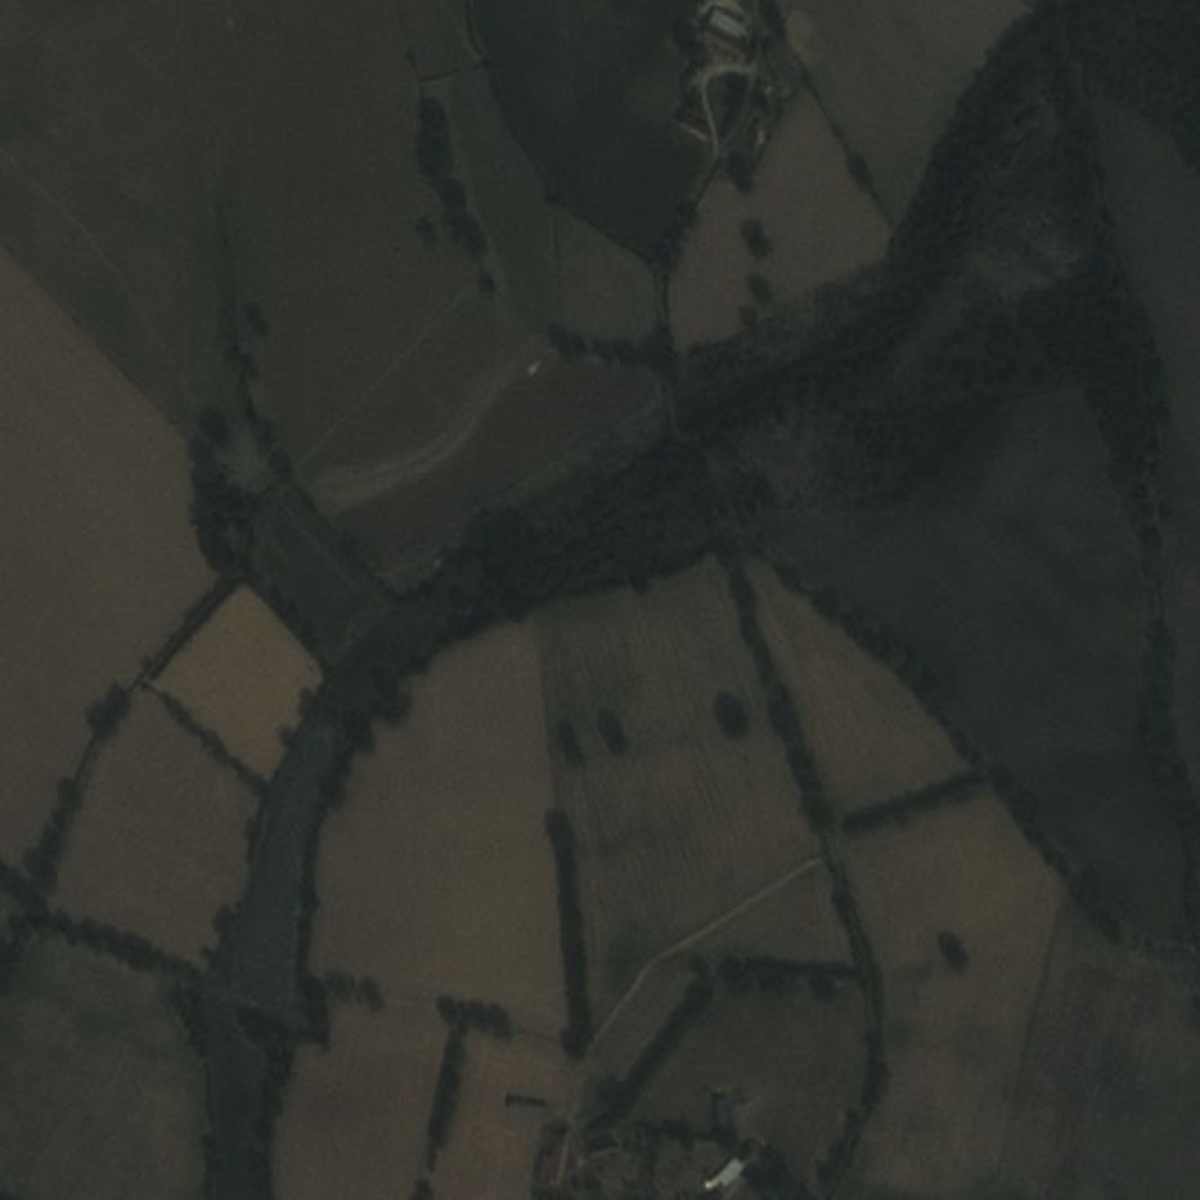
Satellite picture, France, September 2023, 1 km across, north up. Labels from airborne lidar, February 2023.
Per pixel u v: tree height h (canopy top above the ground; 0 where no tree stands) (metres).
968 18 0
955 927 0
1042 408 0
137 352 0
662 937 0
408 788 0
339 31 0
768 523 0
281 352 0
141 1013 0
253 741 0
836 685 0
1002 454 0
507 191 0
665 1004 0
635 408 0
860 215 0
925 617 0
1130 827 0
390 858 0
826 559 0
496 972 0
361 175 0
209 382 0
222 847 0
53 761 0
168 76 0
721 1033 0
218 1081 0
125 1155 0
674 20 0
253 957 0
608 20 0
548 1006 0
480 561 7
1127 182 0
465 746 0
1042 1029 0
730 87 11
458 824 0
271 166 0
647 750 0
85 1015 0
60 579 0
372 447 0
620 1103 18
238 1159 0
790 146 0
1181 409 0
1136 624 0
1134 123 0
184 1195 0
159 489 0
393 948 0
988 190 0
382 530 0
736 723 19
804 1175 0
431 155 22
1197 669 0
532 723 0
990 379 15
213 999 0
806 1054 0
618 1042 0
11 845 0
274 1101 16
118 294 0
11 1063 0
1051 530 0
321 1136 0
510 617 11
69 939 11
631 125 0
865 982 11
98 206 0
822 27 0
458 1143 0
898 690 0
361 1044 0
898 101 0
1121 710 0
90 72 0
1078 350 16
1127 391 13
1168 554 0
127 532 0
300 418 0
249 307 0
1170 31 15
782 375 17
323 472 0
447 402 0
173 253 0
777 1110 0
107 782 0
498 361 0
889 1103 0
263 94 0
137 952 17
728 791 0
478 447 0
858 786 0
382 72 0
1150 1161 0
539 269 0
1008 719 0
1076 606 0
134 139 0
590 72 0
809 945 0
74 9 0
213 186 0
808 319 0
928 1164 0
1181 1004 0
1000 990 0
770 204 0
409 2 0
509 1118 0
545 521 0
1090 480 0
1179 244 0
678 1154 0
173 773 0
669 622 0
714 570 0
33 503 0
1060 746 0
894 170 0
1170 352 0
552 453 0
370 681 0
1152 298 0
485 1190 0
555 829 17
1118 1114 0
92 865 0
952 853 0
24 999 0
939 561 0
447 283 0
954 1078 0
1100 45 18
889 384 0
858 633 12
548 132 0
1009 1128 0
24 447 0
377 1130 0
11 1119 0
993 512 0
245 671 0
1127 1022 0
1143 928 0
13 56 0
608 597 0
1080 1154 0
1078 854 0
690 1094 0
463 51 0
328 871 0
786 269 0
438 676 0
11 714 0
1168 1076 0
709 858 0
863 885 0
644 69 0
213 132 0
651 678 0
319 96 0
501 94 6
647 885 0
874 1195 0
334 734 0
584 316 0
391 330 0
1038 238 0
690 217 13
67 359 0
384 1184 0
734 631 0
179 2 0
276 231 0
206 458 18
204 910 0
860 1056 0
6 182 0
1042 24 7
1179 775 20
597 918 0
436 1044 0
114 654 0
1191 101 16
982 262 0
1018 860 0
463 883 0
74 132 0
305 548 0
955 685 0
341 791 16
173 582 0
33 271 0
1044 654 0
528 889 0
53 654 0
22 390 0
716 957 0
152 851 0
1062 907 0
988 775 10
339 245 0
